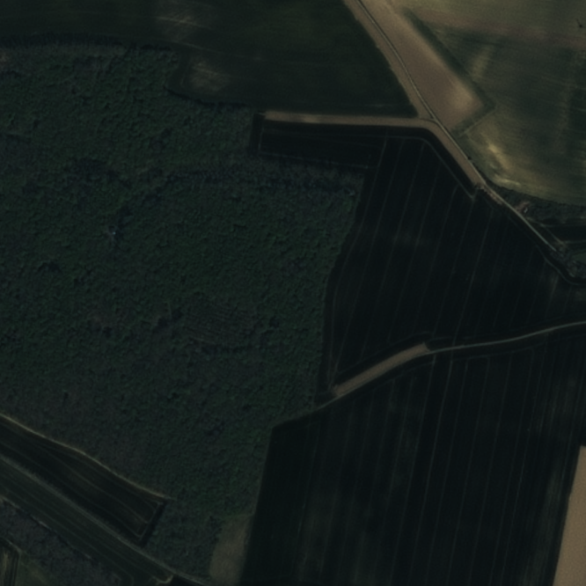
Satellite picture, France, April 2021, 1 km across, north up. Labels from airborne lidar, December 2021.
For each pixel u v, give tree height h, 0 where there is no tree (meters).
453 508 0
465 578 0
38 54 26
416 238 0
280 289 23
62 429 18
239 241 22
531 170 0
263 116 0
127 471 17
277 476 0
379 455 0
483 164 0
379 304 0
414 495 0
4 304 24
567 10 0
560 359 0
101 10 0
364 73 0
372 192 0
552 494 0
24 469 7
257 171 30
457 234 0
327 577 0
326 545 0
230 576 0
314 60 0
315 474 0
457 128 0
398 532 0
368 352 0
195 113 24
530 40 0
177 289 22
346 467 0
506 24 0
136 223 23
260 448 19
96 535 0
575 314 0
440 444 0
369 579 0
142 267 21
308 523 0
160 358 21
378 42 0
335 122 0
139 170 24
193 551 15
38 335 22
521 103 0
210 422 21
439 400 0
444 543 0
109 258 23
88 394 24
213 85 0
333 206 24
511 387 0
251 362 24
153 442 20
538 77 0
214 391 22
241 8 0
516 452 0
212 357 24
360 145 0
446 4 0
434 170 0
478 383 0
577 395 0
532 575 0
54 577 17
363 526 0
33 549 21
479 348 0
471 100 0
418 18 0
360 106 0
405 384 0
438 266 0
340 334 0
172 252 20
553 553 0
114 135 23
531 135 0
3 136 8
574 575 0
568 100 0
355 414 0
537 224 0
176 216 22
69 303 22
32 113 24
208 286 20
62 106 24
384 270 0
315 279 21
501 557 0
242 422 23
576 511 0
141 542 0
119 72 22
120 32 0
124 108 22
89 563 25
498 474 0
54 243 23
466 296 0
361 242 0
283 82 0
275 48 0
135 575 0
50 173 26
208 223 21
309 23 0
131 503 0
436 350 0
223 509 16
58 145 23
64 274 23
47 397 21
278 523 0
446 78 0
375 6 0
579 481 0
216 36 0
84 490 0
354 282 0
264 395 24
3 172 29
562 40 0
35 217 22
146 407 22
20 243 24
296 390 20
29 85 23
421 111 0
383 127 0
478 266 0
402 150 0
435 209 0
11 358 22
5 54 31
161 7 0
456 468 0
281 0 0
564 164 0
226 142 31
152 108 20
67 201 24
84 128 24
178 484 19
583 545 0
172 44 0
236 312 17
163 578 0
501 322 0
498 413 0
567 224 0
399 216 0
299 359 22
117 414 22
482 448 0
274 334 22
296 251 20
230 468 23
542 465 0
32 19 0
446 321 0
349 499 0
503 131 0
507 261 0
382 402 0
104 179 28
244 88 0
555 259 6
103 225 22
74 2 0
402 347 0
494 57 0
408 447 0
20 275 16
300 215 23
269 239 19
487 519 0
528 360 0
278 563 0
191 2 0
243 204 20
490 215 0
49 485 9
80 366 23
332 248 16
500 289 0
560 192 0
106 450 18
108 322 23
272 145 0
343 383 0
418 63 0
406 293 0
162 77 17
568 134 0
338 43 0
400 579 0
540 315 0
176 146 26
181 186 22
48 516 0
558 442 0
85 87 22
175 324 21
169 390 24
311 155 0
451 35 0
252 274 25
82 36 0
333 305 0
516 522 0
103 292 22
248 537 0
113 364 22
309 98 0
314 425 0
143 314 23
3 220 24
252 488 19
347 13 0
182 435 21
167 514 17
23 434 0
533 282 0
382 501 0
